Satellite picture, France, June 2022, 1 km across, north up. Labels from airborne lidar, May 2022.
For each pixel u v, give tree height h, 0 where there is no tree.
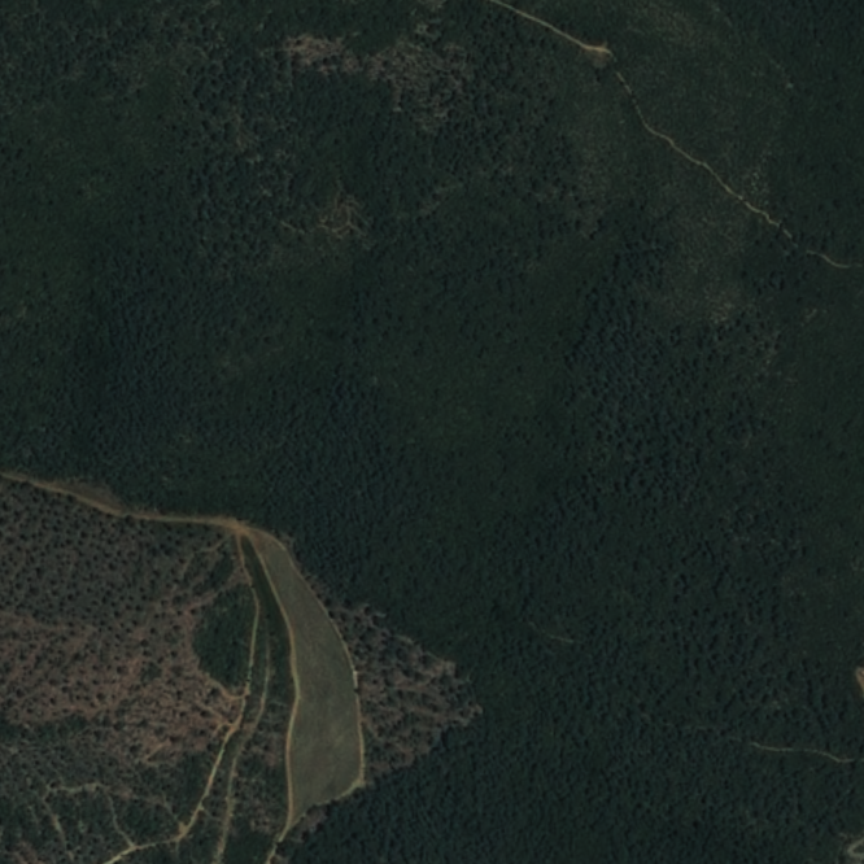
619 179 6
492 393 7
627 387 15
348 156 7
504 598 15
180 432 15
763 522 17
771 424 10
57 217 7
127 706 8
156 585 12
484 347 7
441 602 9
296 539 14
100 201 6
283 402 9
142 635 0
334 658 0
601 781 10
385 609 10
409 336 9
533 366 7
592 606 9
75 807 6
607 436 9
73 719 9
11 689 7
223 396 13
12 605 14
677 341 10
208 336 13
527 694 9
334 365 9
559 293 9
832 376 7
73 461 18
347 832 7
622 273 8
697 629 16
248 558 0
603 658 22
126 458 15
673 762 13
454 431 7
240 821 6
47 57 7
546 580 10
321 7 7
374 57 13
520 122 12
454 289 10
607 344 16
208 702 7
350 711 0
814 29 9
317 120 9
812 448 8
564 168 12
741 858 14
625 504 7
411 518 13
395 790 18
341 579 17
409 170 14
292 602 0
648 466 8
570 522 14
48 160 7
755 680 13
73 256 8
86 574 0
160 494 9
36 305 6
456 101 13
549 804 18
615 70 7
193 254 14
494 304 6
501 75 6
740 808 19
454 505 9
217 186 13
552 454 11
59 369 11
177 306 11
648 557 18
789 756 7
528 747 10
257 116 11
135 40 9
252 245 10
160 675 6
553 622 14
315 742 0
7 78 8
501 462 6
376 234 9
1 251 6
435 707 7
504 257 14
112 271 7
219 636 21
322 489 17
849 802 9
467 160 8
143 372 15
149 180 9
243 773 12
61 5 8
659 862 17
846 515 9
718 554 15
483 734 16
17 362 10
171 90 6
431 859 14
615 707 16
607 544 18
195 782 9
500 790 16
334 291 8
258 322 7
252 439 18
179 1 8
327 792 0
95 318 13
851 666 8
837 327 9
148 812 7
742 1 9
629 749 13
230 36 7
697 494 9
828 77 8
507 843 16
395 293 6
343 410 15
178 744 16
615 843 16
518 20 14
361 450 14
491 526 10
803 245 12
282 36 8
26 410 7
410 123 6
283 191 12
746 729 15
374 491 15
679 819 21
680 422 17
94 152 8
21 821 10
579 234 6
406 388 6
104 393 16
